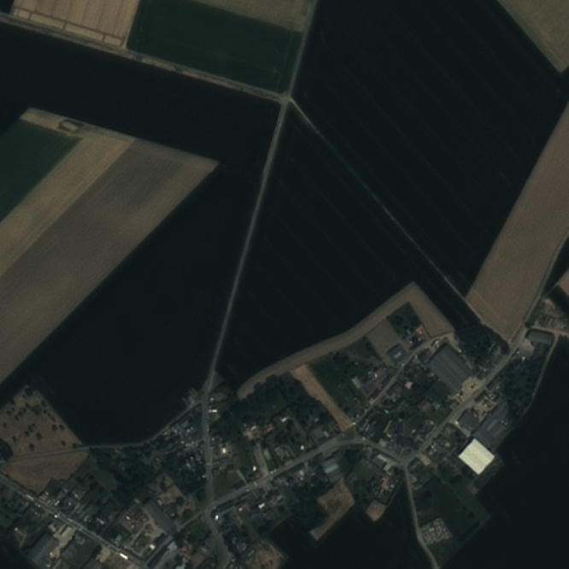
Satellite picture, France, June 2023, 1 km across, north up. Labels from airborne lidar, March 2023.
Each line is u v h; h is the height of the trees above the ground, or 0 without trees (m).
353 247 0
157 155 0
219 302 0
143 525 0
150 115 0
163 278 0
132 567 0
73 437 0
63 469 0
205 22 0
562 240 0
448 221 0
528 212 0
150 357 0
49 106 0
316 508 0
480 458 0
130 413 0
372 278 0
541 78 0
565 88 0
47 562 0
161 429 0
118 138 0
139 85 0
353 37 0
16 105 0
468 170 0
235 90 0
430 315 0
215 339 0
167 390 0
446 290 0
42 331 0
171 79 0
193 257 0
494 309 0
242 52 0
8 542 0
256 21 0
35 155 0
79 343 0
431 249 0
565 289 0
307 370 0
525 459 0
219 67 0
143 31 0
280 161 0
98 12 0
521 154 0
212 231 0
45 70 0
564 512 0
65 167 0
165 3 0
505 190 0
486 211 0
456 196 0
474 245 0
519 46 0
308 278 0
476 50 0
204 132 0
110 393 0
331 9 0
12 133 0
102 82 0
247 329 0
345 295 0
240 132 0
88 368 0
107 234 0
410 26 0
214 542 0
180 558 11
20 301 0
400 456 0
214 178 0
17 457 0
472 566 0
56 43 0
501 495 0
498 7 0
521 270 0
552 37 0
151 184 0
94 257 0
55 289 0
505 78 0
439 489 0
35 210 0
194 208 0
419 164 0
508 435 0
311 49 0
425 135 0
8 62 0
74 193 0
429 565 0
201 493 13
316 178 0
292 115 0
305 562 0
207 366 0
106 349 0
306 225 0
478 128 0
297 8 0
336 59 0
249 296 0
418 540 0
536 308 0
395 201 0
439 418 0
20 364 0
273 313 0
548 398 0
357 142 0
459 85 0
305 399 7
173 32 0
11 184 0
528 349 0
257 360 0
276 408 0
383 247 0
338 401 0
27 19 0
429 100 0
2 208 0
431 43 0
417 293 0
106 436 0
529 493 0
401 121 0
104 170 0
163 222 0
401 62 0
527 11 0
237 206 0
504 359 0
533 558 0
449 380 0
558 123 0
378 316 0
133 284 0
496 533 0
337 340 0
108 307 0
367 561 0
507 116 0
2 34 0
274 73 0
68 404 0
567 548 0
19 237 0
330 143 0
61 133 0
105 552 0
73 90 0
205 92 0
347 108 0
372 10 0
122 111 0
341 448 0
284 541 0
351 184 0
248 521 0
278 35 0
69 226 0
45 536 0
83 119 0
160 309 0
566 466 0
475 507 0
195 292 0
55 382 0
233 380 0
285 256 0
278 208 0
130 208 0
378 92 0
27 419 0
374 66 0
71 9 0
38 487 0
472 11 0
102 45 0
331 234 0
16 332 0
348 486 0
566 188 0
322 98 0
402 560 0
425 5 0
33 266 0
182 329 0
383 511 0
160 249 0
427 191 0
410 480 0
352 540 0
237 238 0
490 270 0
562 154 0
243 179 0
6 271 0
